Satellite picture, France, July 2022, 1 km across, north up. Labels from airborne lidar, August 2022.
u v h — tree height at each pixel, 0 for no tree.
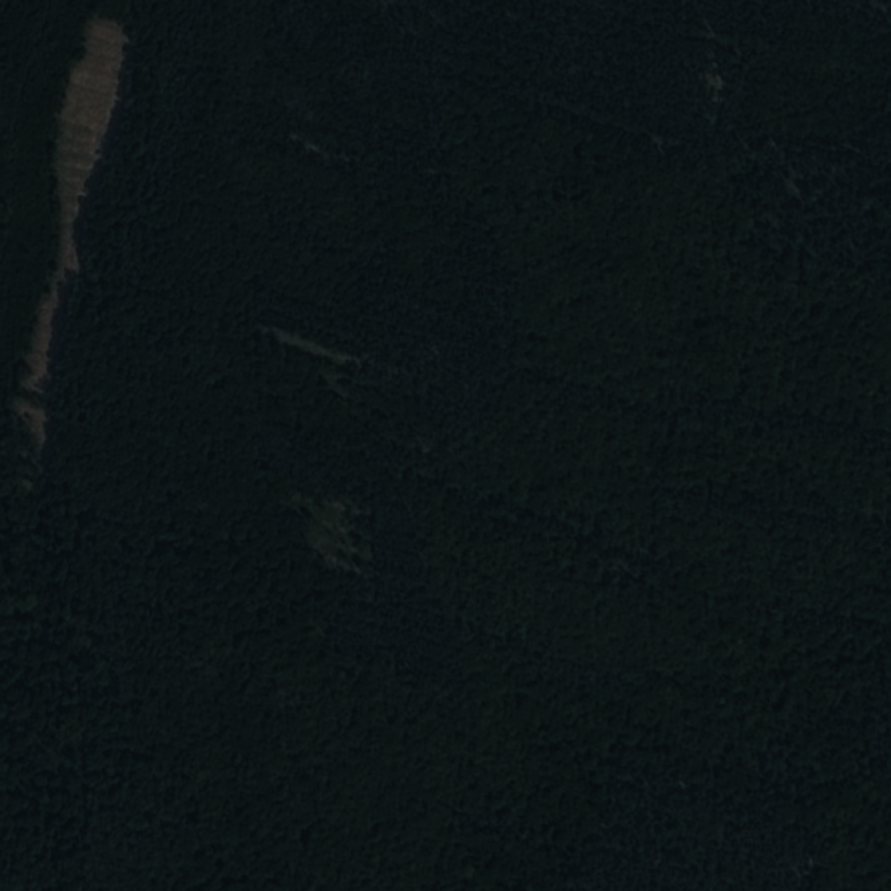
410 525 17
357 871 13
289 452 21
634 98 24
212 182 20
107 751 17
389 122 13
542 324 21
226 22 23
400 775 18
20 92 6
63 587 28
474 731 15
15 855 20
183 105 21
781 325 17
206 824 16
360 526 12
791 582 23
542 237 19
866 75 12
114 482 20
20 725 18
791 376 21
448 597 12
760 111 11
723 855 18
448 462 16
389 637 20
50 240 10
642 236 20
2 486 21
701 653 14
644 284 18
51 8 10
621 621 17
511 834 15
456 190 13
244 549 27
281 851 21
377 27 12
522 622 12
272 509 18
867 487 17
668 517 16
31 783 14
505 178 19
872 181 20
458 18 19
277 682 21
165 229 24
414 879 14
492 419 17
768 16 25
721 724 21
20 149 10
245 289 18
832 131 11
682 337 16
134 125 24
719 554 18
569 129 21
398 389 13
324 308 17
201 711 19
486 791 8
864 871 14
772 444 19
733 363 14
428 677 15
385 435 13
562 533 22
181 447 20
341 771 17
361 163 17
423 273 22
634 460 14
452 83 25
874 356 20
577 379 16
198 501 23
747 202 18
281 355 21
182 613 22
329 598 19
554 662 21
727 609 20
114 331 22
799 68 14
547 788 20
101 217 27
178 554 24
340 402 13
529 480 16
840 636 19
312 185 15
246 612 21
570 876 24
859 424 23
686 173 18
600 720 19
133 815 16
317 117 12
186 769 18
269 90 13
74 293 23
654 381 19
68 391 29
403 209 20
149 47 26
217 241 21
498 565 13
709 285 19
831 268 20
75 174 0
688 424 19
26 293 9
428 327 13
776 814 19
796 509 18
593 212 18
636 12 18
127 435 20
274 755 22
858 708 24
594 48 22
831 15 11
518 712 18
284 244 18
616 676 24
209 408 22
